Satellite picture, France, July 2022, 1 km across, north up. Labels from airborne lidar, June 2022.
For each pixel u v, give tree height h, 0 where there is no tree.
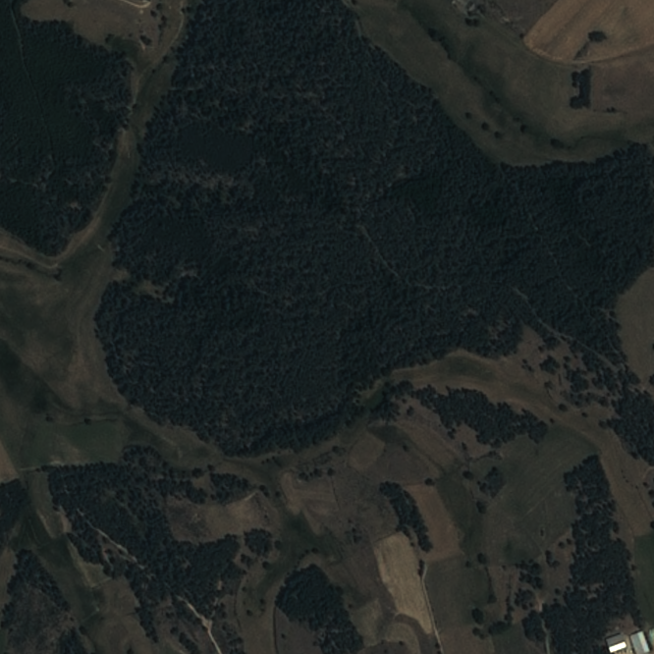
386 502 0
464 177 19
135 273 11
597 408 0
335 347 18
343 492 0
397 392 16
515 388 0
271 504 0
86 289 0
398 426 0
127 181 0
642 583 0
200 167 12
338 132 15
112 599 0
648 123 0
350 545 0
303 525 0
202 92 18
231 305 19
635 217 25
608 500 9
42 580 15
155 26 0
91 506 19
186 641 10
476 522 0
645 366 0
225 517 0
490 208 25
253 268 20
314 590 19
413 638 0
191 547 17
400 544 0
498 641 0
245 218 20
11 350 0
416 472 0
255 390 17
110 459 0
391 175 17
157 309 21
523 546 0
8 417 0
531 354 0
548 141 0
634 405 16
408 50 0
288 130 21
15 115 8
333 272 21
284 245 17
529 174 21
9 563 0
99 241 0
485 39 0
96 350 0
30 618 0
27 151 11
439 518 0
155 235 8
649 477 0
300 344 18
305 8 20
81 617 0
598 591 11
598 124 0
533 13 0
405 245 20
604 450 0
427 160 24
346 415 19
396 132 16
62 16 0
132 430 0
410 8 0
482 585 0
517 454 0
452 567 0
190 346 13
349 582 0
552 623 19
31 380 0
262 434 10
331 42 8
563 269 19
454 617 0
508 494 0
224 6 17
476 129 0
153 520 14
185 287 18
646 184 12
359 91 21
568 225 28
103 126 9
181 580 15
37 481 0
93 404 0
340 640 17
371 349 10
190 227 13
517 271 22
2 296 0
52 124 8
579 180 11
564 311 16
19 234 11
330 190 13
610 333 18
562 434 0
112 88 18
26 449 0
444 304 19
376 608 0
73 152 9
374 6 0
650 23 0
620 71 0
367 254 20
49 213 8
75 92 17
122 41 0
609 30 0
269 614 0
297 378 20
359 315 14
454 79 0
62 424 0
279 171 17
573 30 0
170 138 9
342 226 20
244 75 12
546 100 0
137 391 22
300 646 0
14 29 8
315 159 15
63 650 0
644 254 21
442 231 24
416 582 0
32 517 0
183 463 0
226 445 14
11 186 10
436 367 0
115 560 13
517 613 0
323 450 0
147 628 14
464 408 22
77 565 0
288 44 8
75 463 0
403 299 7
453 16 0
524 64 0
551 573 0
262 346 21
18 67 6
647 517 0
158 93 0
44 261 0
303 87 7
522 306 17
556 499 0
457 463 0
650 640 0
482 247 24
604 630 12
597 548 14
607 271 21
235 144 9
